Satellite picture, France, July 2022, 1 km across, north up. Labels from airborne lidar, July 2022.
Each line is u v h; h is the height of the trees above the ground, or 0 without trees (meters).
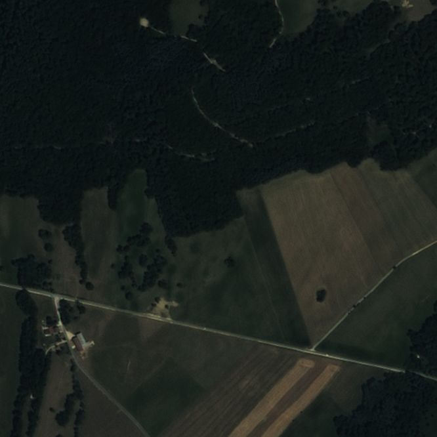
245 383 0
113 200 19
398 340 0
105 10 21
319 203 0
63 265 0
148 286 10
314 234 0
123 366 0
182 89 23
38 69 22
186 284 0
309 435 0
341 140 24
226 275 0
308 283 0
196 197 16
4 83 24
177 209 22
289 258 0
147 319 0
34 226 0
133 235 0
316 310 0
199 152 12
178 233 14
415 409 27
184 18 0
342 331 0
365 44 20
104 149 23
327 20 17
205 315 0
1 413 0
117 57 16
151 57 23
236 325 0
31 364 17
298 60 17
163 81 21
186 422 0
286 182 0
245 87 17
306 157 21
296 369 0
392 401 27
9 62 24
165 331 0
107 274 0
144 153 26
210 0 17
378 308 0
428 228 0
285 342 0
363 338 0
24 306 17
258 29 15
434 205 0
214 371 0
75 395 12
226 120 20
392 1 0
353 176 0
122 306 0
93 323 0
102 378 0
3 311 0
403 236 0
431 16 18
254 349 0
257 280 0
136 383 0
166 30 12
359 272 0
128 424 0
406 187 0
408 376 15
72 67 15
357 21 10
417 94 26
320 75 17
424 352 20
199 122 14
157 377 0
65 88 20
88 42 23
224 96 18
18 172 21
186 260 0
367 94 17
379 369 0
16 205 0
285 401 0
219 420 0
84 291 0
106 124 21
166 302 0
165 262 10
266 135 25
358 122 17
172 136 16
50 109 21
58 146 18
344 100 26
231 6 13
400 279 0
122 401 0
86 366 0
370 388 18
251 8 15
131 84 25
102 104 19
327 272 0
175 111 14
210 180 12
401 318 0
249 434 0
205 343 0
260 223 0
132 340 0
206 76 20
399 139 27
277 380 0
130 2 17
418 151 24
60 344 0
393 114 19
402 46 23
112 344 0
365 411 26
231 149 25
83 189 18
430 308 0
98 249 0
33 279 19
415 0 0
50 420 0
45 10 21
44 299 0
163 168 27
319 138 22
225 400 0
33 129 24
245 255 0
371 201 0
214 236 0
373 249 0
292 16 0
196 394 0
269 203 0
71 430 0
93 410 0
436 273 0
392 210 0
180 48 23
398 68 25
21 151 16
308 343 0
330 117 25
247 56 18
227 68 15
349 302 0
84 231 0
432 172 0
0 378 0
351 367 0
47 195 18
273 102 15
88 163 21
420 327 0
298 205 0
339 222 0
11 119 19
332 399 0
